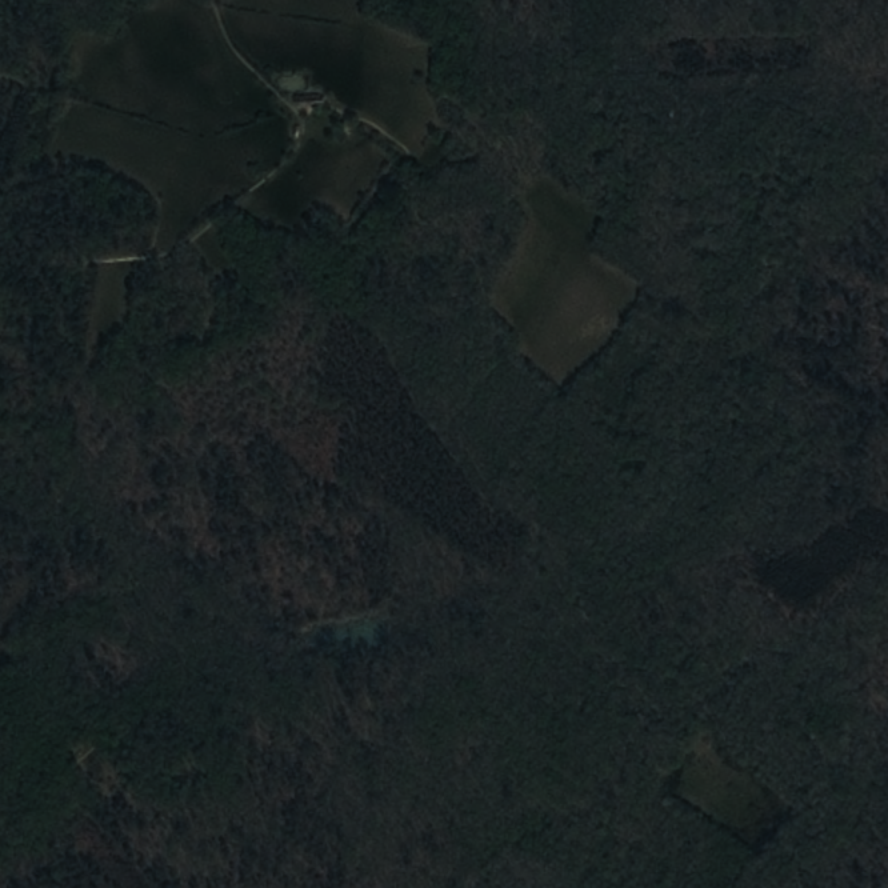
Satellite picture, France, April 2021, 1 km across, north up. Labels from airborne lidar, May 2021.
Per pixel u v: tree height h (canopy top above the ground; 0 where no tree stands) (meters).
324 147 0
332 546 19
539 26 19
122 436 11
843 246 8
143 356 19
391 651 23
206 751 20
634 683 19
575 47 20
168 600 13
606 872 20
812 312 17
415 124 0
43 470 13
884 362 7
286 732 14
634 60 17
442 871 14
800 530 21
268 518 10
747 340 17
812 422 22
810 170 28
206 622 20
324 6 0
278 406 9
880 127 22
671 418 23
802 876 23
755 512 29
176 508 14
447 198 17
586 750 17
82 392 13
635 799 18
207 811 19
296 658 21
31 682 21
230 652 17
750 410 22
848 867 13
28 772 18
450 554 10
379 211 18
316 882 19
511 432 17
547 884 26
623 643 20
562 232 0
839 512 17
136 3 12
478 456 19
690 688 22
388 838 17
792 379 12
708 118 19
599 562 18
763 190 24
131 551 21
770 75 14
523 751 18
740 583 14
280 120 0
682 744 19
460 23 27
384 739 17
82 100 10
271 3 0
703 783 0
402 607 14
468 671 20
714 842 24
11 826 19
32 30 20
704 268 21
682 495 27
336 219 20
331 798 20
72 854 13
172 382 16
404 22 19
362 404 23
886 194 17
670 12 18
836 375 20
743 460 21
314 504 22
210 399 8
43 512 21
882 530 9
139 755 22
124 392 15
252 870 24
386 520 15
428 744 18
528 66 20
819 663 19
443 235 16
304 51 0
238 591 19
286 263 24
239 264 16
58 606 25
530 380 17
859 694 18
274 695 18
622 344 12
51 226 21
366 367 22
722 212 23
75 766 20
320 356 13
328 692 13
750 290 22
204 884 17
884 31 15
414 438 22
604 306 0
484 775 20
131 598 17
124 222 25
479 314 24
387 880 11
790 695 22
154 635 15
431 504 21
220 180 0
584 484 20
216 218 17
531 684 22
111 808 16
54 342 27
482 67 19
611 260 16
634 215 18
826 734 22
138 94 0
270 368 12
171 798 18
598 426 21
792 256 13
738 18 20
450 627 20
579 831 16
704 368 19
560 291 0
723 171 23
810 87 19
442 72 15
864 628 19
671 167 21
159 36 0
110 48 0
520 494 26
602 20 21
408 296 23
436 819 16
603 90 17
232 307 16
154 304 13
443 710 22
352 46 0
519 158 18
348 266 18
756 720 20
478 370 22
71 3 15
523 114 16
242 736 14
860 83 11
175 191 0
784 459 18
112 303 0
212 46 0
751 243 21
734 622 18
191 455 14
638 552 22
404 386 21
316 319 12
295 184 0
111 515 14
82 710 19
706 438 25
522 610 21
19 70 21
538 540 19
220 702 20
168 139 0
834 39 16
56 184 25
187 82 0
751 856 18
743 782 0
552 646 20
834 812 23
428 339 21
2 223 14
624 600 17
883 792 19
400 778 20
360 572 12
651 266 14
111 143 0
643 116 22
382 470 22
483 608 21
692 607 17
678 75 7
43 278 7
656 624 19
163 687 20
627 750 17
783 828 20
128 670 8
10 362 6
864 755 24
